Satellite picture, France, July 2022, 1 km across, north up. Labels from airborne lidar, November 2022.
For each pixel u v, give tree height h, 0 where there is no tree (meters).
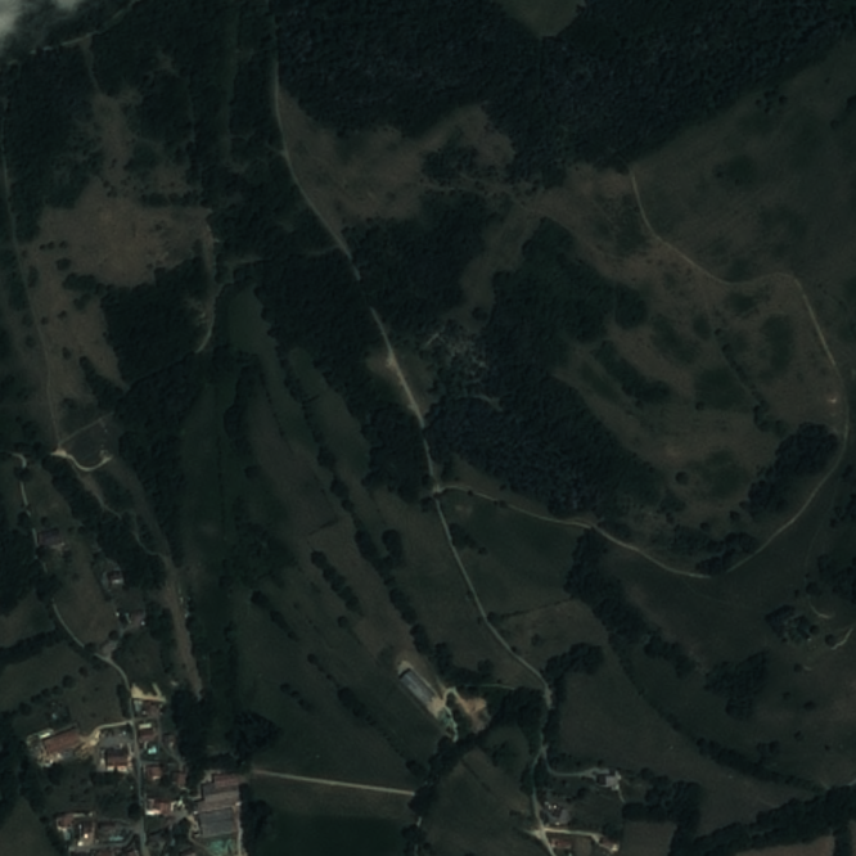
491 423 29
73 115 12
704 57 16
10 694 0
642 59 16
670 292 0
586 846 0
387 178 0
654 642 8
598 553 11
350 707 11
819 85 0
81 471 0
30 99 14
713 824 0
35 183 9
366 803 0
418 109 12
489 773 0
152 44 7
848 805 16
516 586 0
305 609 0
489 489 0
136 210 0
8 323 0
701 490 0
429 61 15
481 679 10
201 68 12
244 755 12
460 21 13
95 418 0
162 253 0
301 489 0
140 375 7
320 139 0
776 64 20
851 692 0
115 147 0
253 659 0
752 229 0
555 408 17
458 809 0
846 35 16
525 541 0
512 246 0
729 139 0
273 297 10
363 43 18
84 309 6
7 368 0
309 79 13
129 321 9
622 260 0
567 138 11
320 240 6
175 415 10
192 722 23
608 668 0
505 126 10
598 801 0
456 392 18
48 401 0
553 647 0
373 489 11
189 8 8
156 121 15
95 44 9
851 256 0
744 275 0
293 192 6
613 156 13
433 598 0
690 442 0
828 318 0
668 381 0
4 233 7
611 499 8
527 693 11
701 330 0
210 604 0
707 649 0
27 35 9
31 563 20
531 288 10
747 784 0
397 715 0
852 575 13
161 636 13
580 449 11
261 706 0
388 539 15
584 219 0
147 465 14
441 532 0
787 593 0
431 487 13
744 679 7
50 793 12
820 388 0
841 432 0
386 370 0
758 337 0
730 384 0
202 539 0
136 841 7
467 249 12
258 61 7
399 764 0
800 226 0
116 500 5
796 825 14
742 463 0
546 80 15
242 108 9
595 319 8
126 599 0
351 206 0
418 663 0
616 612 14
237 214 7
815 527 0
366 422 7
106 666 7
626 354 0
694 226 0
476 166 9
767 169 0
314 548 0
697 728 0
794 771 0
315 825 0
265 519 0
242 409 11
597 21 7
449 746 15
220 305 7
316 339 14
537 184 8
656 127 17
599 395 0
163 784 10
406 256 7
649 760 0
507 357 15
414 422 10
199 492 0
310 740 0
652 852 0
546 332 10
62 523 0
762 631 0
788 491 9
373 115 12
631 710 0
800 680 0
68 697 0
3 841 0
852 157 0
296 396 15
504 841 0
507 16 9
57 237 0
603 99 23
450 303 10
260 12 11
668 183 0
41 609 0
